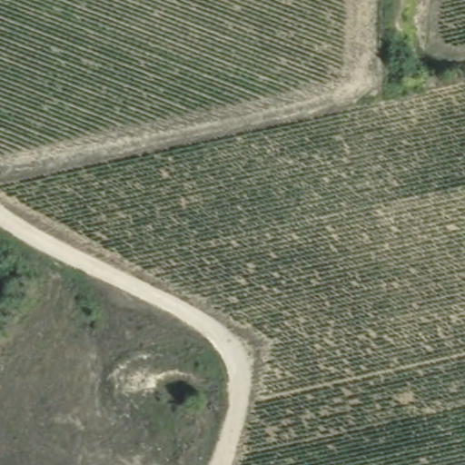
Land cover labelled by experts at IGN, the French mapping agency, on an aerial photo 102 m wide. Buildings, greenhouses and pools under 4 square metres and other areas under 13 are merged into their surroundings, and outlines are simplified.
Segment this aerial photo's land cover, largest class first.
<instances>
[{"label":"vineyard","instance_id":"1","mask_svg":"<svg viewBox=\"0 0 465 465\"><path fill-rule=\"evenodd\" d=\"M345 0H0V154L73 140L87 133L98 134L102 129L113 131L116 124L142 125L143 122H156L158 118H167L171 114L183 116L196 109L211 111V107H225L240 104L243 100H256L260 94L271 96L276 93H289L292 89L300 87V82H340L345 42ZM438 27L443 42L452 45L465 44V0H441ZM0 205L9 213L22 218L24 222L31 223L38 231H44L56 240L71 245L73 249L98 258L100 262L107 263L114 269L134 276L136 280L167 292L194 309L205 312L216 322L222 323L227 331L240 338L247 356L252 358L251 391L245 425L232 465H465V82L458 80L454 84L445 85L438 76H429L423 93L409 94L396 100H383L371 105L345 102L334 105L325 113L296 118L291 122H276L218 136H203L194 142L174 143L143 153L109 158L104 162L85 163L71 169L25 176L20 178L18 183H0Z\"/></svg>","mask_w":465,"mask_h":465},{"label":"agricultural land","instance_id":"2","mask_svg":"<svg viewBox=\"0 0 465 465\"><path fill-rule=\"evenodd\" d=\"M18 278L16 269H0V300L4 298L5 285ZM42 278L44 289L38 292V307L35 311L27 312V323L20 325L13 340L5 341L0 347V465H209L229 407V376L222 356L216 352L211 341L173 314L114 287L102 302L94 300L89 307L78 311L74 307L71 292L65 291L62 287V280L49 278V274H44Z\"/></svg>","mask_w":465,"mask_h":465},{"label":"herbaceous vegetation","instance_id":"3","mask_svg":"<svg viewBox=\"0 0 465 465\"><path fill-rule=\"evenodd\" d=\"M378 0H345V42L340 82H300V87L292 89L289 93H276L271 96L260 94L256 100H243L240 104L225 107H211V111L196 109L183 116L171 114L167 118H158L156 122H143L142 125L116 124L113 131L102 129L98 134L87 133L73 140L0 154V183H18L20 178L25 176L71 169L85 163L104 162L109 158L143 153L174 143L194 142L203 136H218L276 122H291L296 118L325 113L334 105L345 102L371 105L383 100L380 89L381 80L385 78L383 64L391 58V42L383 40L378 45L376 42ZM441 0H400V4L394 9V29L401 35L409 36L411 53L416 47V42H420L423 53L429 56L440 60H465V44L452 45L443 42L438 27Z\"/></svg>","mask_w":465,"mask_h":465},{"label":"pervious surface","instance_id":"4","mask_svg":"<svg viewBox=\"0 0 465 465\"><path fill-rule=\"evenodd\" d=\"M0 227L38 251L45 252L102 282L111 283L114 287L173 314L211 341L216 352L222 356L229 376V407L209 465H232L245 425L251 391L252 358L247 356L240 338L227 331L222 323L216 322L205 312L194 309L167 292L136 280L134 276L114 269L107 263L100 262L98 258L73 249L71 245L56 240L44 231H38L31 223L24 222L22 218L9 213L0 205Z\"/></svg>","mask_w":465,"mask_h":465},{"label":"brushwood","instance_id":"5","mask_svg":"<svg viewBox=\"0 0 465 465\"><path fill-rule=\"evenodd\" d=\"M400 4V0H378L376 42L378 45L383 40L391 42V58L383 64L385 78L381 80L380 89L383 100H396L409 94L423 93L429 76H438L445 85L454 84L458 80L465 82V60H440L429 56L423 53L420 42H416V47L411 53L409 36L401 35L394 29V9ZM0 269H16L18 278H42L44 274H49V278L62 280V287L65 291L71 292L74 307L78 311L89 307L94 300L102 302L114 287L111 283L102 282L45 252L38 251L0 227Z\"/></svg>","mask_w":465,"mask_h":465},{"label":"deciduous trees","instance_id":"6","mask_svg":"<svg viewBox=\"0 0 465 465\"><path fill-rule=\"evenodd\" d=\"M44 289L42 278H18L5 285L4 298L0 300V347L5 341L13 340L20 325L27 323V312L35 311L38 307V292Z\"/></svg>","mask_w":465,"mask_h":465}]
</instances>
